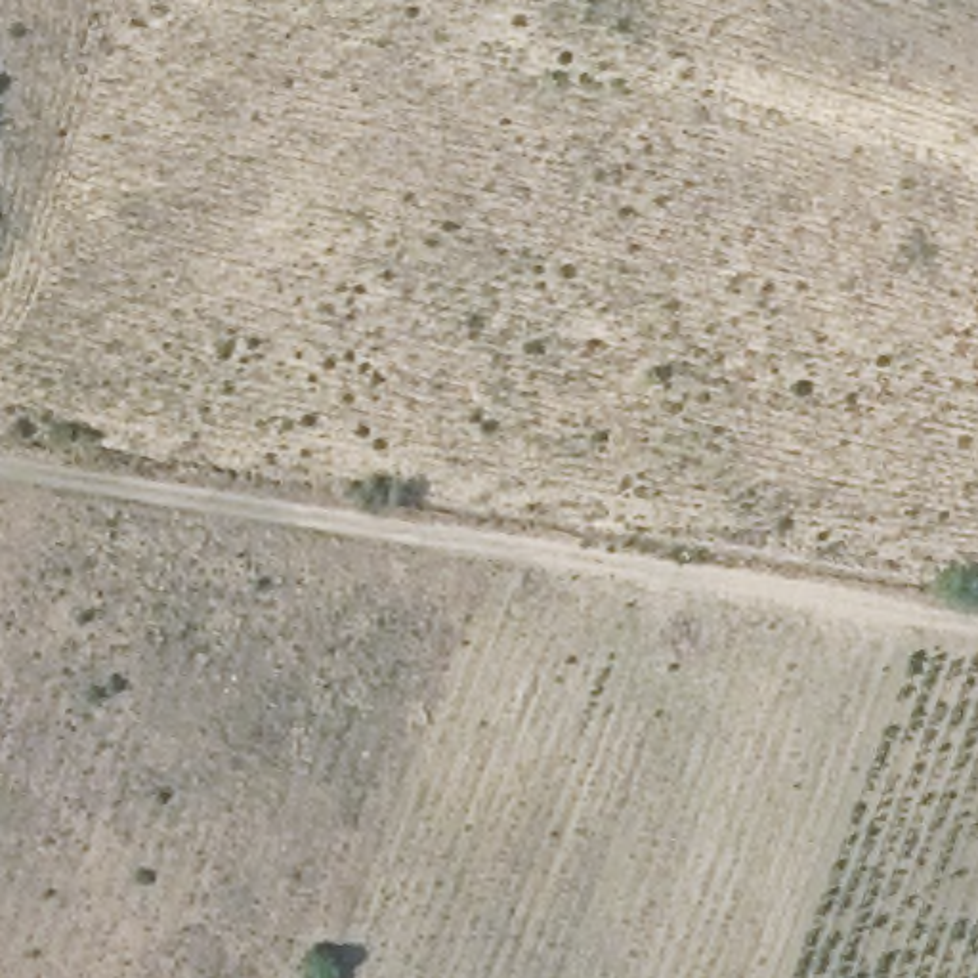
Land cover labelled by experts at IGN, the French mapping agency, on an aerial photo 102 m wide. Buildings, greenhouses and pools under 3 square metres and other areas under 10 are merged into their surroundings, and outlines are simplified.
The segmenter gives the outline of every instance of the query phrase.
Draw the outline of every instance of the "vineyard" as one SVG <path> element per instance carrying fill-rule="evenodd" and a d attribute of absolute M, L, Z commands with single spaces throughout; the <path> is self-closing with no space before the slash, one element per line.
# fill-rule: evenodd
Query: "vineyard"
<path fill-rule="evenodd" d="M 856 627 L 852 619 L 814 619 L 814 611 L 806 607 L 779 604 L 734 604 L 718 596 L 688 600 L 680 588 L 642 588 L 638 581 L 607 573 L 550 573 L 550 581 L 573 592 L 573 600 L 546 604 L 546 615 L 527 623 L 527 638 L 516 642 L 470 627 L 470 646 L 451 653 L 436 722 L 409 764 L 397 818 L 386 829 L 386 848 L 374 852 L 371 863 L 371 902 L 355 909 L 348 944 L 359 944 L 367 951 L 355 978 L 978 978 L 978 638 L 925 627 Z"/>
<path fill-rule="evenodd" d="M 936 577 L 951 607 L 978 611 L 978 562 L 951 562 Z"/>

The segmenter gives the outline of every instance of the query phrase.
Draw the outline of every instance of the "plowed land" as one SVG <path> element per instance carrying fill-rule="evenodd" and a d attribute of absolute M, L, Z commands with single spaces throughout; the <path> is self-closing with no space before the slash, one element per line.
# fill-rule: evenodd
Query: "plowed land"
<path fill-rule="evenodd" d="M 0 0 L 0 978 L 355 978 L 367 951 L 359 944 L 348 944 L 355 909 L 371 902 L 371 863 L 374 852 L 386 848 L 386 829 L 397 818 L 409 764 L 436 722 L 451 653 L 470 646 L 470 627 L 516 642 L 527 638 L 527 623 L 546 615 L 546 604 L 573 600 L 573 592 L 550 581 L 550 573 L 607 573 L 638 581 L 642 588 L 680 588 L 688 600 L 718 596 L 734 604 L 779 604 L 806 607 L 814 611 L 814 619 L 852 619 L 856 627 L 925 627 L 978 638 L 978 611 L 951 607 L 936 577 L 951 562 L 978 562 L 978 0 Z"/>

